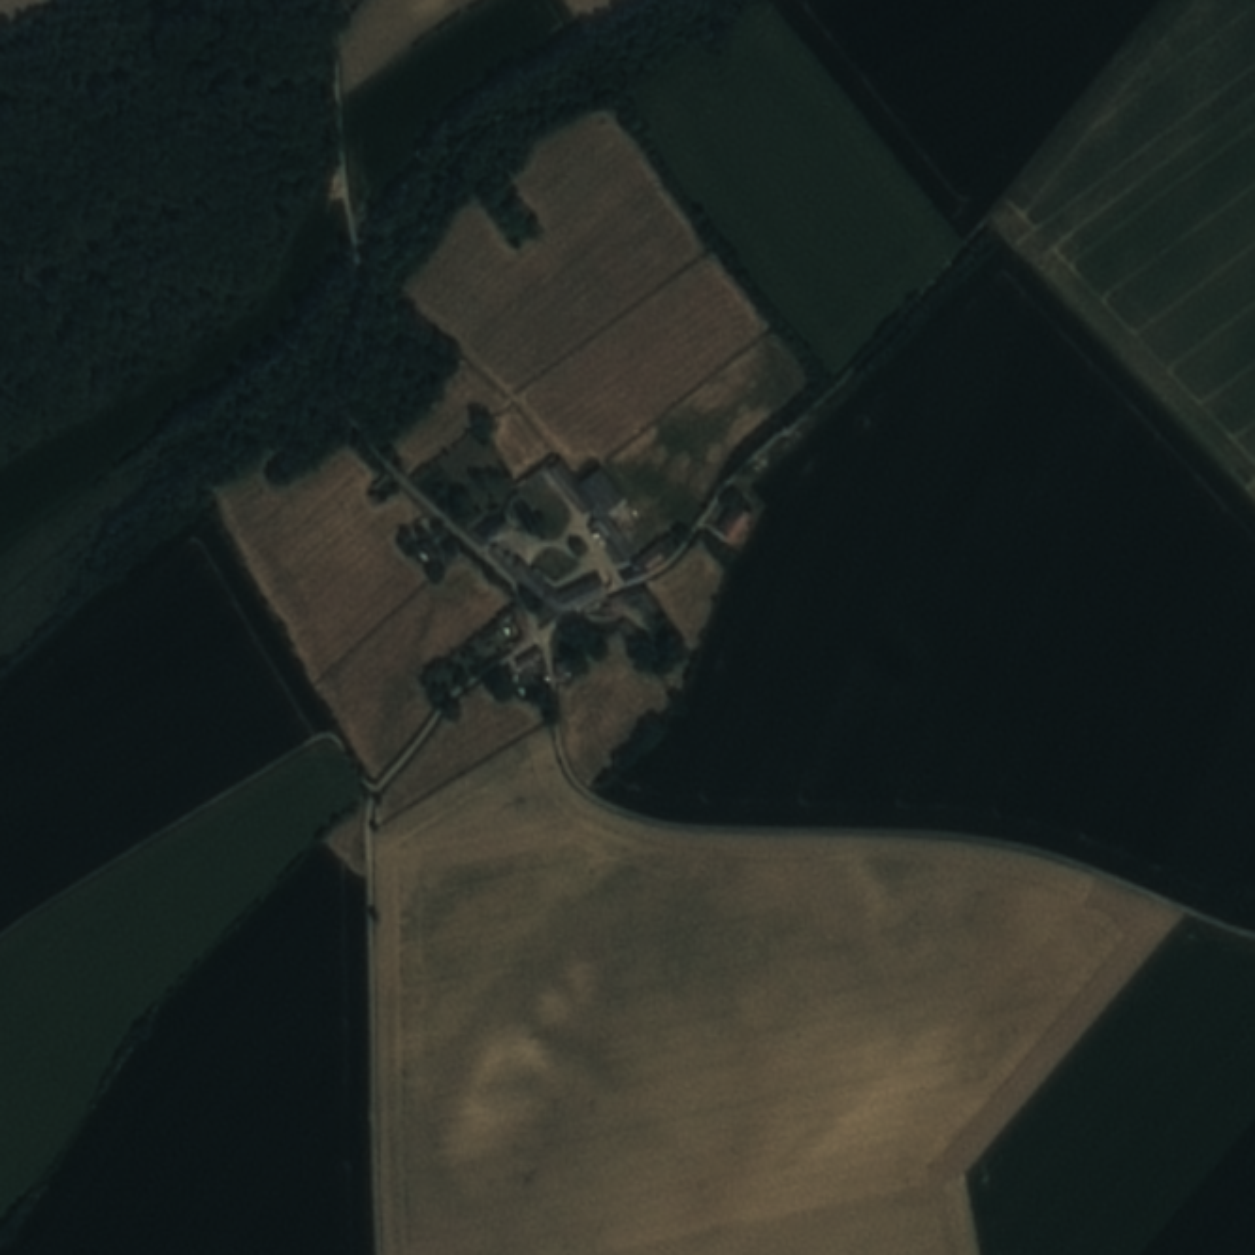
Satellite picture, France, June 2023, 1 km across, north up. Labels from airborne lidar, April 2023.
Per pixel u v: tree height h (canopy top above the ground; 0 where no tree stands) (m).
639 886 0
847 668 0
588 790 0
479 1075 0
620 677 0
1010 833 0
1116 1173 0
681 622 0
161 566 0
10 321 26
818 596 0
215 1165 0
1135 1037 0
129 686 0
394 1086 0
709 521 0
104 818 0
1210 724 0
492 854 0
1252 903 0
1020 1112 0
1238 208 0
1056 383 0
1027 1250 0
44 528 0
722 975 0
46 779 0
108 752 0
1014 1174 0
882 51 0
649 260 0
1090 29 0
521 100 7
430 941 0
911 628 0
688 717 0
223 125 21
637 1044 0
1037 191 0
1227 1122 0
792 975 0
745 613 0
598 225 0
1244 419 0
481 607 0
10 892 0
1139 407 0
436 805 0
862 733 0
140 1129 0
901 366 0
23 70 21
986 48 0
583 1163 0
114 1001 0
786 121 0
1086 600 0
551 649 0
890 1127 0
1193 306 0
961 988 0
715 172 0
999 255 0
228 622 0
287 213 24
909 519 0
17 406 23
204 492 12
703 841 0
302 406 24
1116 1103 0
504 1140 0
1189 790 0
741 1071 0
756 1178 0
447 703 13
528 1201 0
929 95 0
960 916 0
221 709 0
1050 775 0
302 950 0
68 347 23
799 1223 0
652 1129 0
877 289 0
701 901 0
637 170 0
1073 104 0
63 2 16
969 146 0
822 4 0
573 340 0
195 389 0
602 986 0
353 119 0
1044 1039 0
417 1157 0
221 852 0
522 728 0
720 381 0
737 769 0
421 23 0
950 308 0
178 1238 0
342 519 0
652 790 0
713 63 0
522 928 0
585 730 0
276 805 0
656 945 0
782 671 0
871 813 0
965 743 0
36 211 23
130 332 19
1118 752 0
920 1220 0
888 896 0
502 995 0
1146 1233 0
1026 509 0
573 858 0
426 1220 0
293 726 0
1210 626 0
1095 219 0
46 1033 0
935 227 0
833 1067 0
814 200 0
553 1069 0
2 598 0
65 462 0
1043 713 0
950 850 0
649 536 0
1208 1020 0
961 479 0
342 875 0
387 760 0
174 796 0
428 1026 0
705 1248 0
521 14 0
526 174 0
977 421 0
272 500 0
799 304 0
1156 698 0
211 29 20
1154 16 0
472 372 0
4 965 0
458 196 11
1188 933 0
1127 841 0
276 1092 0
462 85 0
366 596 0
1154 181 0
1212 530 0
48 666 0
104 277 15
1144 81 0
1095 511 0
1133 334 0
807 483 0
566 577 0
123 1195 0
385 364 24
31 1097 0
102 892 0
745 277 10
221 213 27
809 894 0
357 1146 0
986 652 0
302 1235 0
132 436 0
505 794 0
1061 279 0
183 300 20
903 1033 0
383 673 0
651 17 21
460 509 12
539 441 0
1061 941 0
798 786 0
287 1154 0
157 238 15
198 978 0
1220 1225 0
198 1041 0
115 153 25
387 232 6
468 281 0
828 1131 0
